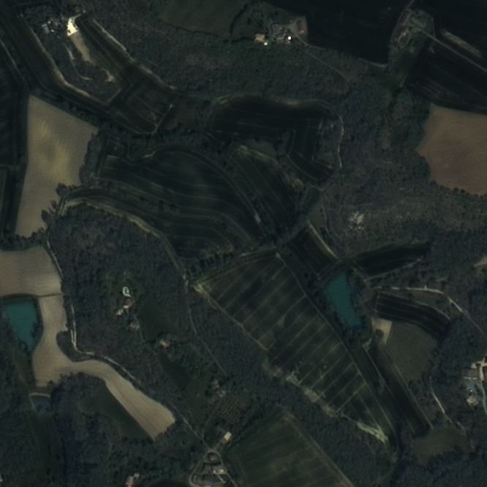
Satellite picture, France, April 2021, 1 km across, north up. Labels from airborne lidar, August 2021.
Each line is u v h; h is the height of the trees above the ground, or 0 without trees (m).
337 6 0
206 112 19
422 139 15
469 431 25
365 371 0
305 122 0
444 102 0
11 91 0
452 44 0
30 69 0
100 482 21
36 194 0
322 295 24
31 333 0
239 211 0
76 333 8
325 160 0
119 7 6
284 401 20
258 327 0
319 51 7
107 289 10
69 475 15
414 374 0
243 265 0
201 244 0
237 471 0
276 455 0
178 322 17
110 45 0
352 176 13
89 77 11
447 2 0
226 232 15
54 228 16
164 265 10
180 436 13
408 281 10
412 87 0
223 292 0
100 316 16
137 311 10
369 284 0
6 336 21
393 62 10
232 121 0
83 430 21
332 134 9
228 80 14
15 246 25
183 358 8
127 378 15
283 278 0
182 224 0
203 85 6
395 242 14
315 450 0
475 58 0
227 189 0
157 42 15
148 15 9
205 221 0
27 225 0
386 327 0
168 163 0
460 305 9
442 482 26
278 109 0
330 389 0
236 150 0
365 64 13
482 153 0
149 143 18
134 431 0
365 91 16
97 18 14
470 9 0
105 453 15
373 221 0
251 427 11
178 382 0
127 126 0
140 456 14
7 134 0
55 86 0
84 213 11
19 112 0
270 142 0
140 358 11
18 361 0
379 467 20
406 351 0
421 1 0
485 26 0
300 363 0
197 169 0
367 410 0
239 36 0
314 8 0
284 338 0
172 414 16
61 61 21
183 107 0
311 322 0
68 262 13
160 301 16
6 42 16
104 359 12
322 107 0
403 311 0
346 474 10
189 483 0
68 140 0
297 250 0
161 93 0
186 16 0
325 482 0
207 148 15
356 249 26
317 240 0
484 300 15
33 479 23
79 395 11
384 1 0
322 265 0
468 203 10
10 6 0
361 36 0
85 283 10
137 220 0
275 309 0
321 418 24
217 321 22
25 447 19
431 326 0
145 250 15
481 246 22
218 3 0
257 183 0
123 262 13
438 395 21
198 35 13
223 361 19
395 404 0
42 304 0
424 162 13
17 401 11
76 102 0
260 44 13
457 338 24
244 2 0
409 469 22
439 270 21
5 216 0
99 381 10
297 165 0
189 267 0
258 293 0
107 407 0
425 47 0
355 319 0
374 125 8
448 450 0
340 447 22
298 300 0
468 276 9
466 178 0
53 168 0
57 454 0
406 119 9
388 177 9
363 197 10
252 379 23
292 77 10
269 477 0
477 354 20
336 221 8
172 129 0
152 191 0
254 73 23
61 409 24
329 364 0
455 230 7
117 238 11
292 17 0
